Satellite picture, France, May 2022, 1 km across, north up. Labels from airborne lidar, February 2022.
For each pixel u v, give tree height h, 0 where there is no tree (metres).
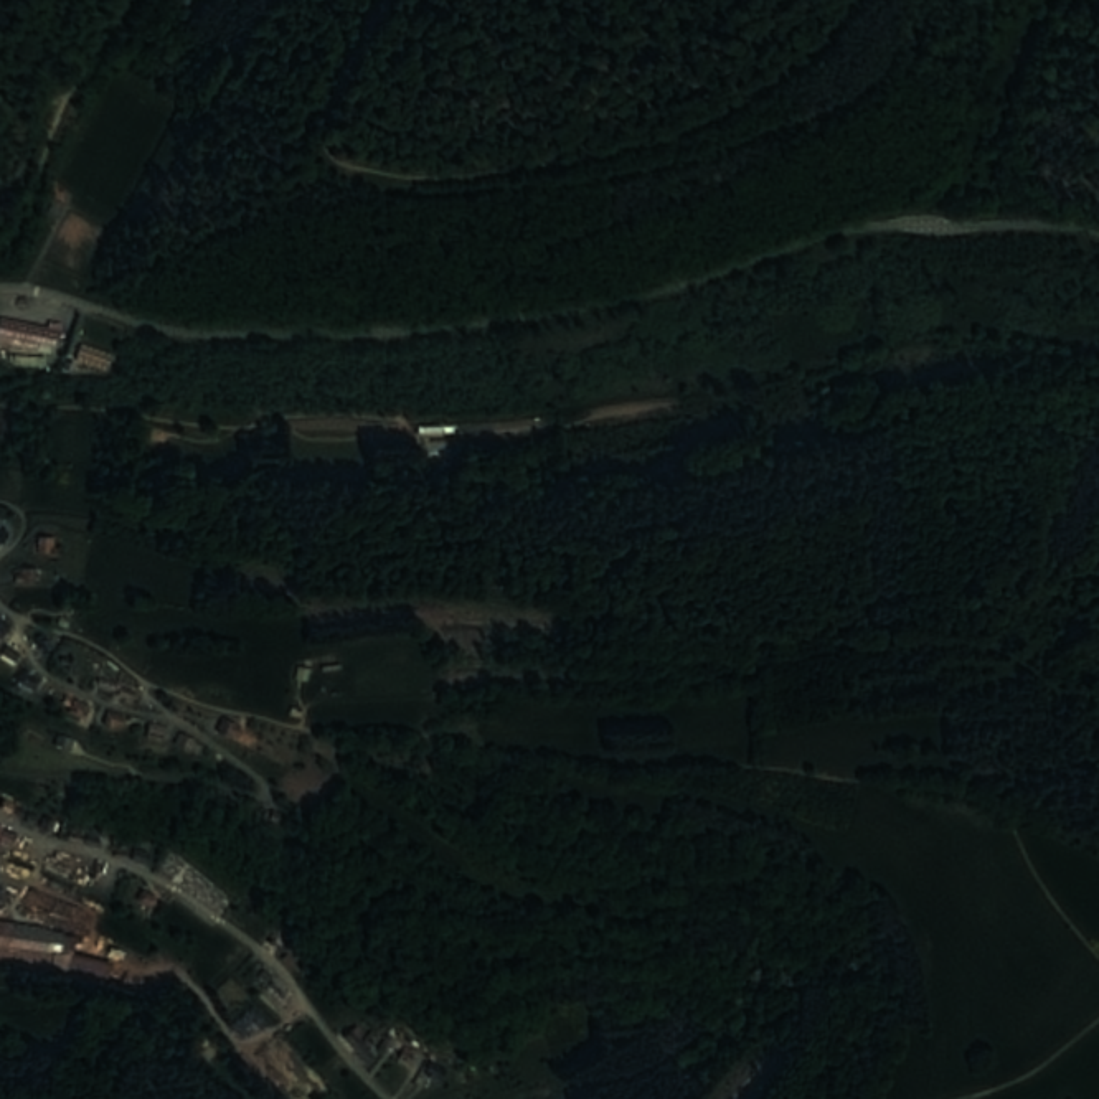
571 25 29
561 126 26
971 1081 0
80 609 16
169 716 0
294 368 22
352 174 0
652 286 19
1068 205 30
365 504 29
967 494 30
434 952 20
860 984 22
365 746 14
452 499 30
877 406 28
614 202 24
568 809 18
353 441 0
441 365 16
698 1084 17
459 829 22
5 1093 25
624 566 32
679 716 0
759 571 28
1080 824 18
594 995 29
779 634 28
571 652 23
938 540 31
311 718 0
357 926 17
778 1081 24
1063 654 17
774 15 33
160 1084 34
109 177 0
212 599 20
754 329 12
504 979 21
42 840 0
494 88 24
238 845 25
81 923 0
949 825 0
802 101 26
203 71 28
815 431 15
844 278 11
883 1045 23
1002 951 0
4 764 0
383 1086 0
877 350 20
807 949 22
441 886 19
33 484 0
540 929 23
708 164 27
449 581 31
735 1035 8
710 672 21
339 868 30
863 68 27
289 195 16
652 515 41
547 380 8
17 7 32
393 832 24
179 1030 29
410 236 23
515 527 31
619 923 21
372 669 0
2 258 11
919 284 13
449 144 24
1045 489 34
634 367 6
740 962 12
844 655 14
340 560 27
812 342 0
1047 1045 0
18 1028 0
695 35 31
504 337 22
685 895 22
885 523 26
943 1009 0
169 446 0
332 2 36
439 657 13
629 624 31
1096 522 28
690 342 13
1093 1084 0
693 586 32
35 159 9
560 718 0
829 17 21
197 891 0
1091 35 26
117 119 0
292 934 26
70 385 8
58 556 0
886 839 0
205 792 20
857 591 31
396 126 20
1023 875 0
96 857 0
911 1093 0
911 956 21
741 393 31
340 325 24
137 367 16
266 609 20
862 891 21
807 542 33
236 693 0
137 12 20
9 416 8
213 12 31
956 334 13
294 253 25
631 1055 30
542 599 33
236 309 24
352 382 23
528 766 19
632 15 32
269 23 29
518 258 24
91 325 0
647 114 22
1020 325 6
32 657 0
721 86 23
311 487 39
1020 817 16
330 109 13
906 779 13
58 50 30
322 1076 0
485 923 24
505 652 21
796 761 0
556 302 23
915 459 29
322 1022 0
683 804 20
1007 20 18
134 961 0
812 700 12
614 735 25
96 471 6
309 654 0
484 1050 30
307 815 22
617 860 21
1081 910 0
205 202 28
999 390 28
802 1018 28
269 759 0
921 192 23
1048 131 31
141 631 0
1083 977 0
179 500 34
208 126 22
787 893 20
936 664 17
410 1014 30
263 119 28
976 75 23
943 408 29
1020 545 31
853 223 18
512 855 18
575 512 33
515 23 32
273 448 25
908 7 29
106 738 0
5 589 0
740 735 0
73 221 0
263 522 32
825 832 0
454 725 0
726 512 36
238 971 0
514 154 23
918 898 0
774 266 13
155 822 7
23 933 0
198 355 15
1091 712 24
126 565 0
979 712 16
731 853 22
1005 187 21
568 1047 0
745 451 29
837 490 33
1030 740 16
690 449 31
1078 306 7
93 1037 15
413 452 31
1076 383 28
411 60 27
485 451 24
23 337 0
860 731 0
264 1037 0
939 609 31
